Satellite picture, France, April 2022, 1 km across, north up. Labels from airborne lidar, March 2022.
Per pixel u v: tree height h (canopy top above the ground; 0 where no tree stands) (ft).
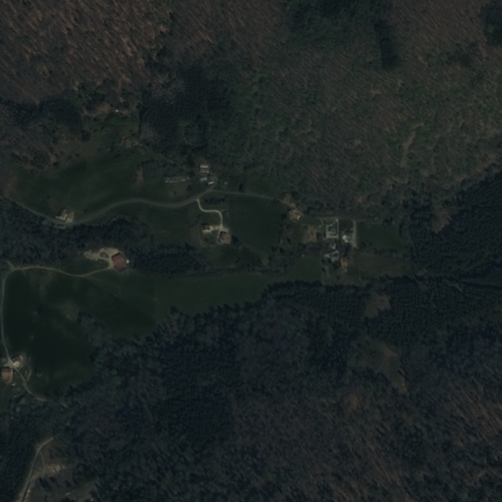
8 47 105
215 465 100
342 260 0
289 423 89
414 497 115
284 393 84
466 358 101
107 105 105
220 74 101
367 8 71
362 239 0
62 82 102
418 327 109
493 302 96
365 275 0
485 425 105
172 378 101
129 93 106
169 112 100
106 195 0
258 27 105
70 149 0
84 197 0
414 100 83
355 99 60
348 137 79
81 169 0
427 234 101
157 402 105
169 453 55
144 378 105
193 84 96
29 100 91
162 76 89
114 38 97
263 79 31
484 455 78
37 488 0
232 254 0
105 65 95
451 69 76
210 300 0
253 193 0
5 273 55
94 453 109
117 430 101
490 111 55
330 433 86
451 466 39
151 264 97
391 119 73
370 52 77
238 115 91
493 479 128
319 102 63
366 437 118
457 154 77
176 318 63
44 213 0
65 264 93
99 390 103
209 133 87
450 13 75
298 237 0
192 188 24
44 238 68
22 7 96
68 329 0
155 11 75
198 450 102
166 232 0
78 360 0
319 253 46
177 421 66
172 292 0
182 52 103
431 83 72
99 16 92
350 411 120
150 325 0
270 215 0
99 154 33
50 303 0
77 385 0
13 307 0
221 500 94
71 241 87
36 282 0
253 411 93
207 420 99
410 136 63
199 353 113
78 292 0
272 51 91
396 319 85
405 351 62
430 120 47
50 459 0
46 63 102
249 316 70
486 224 92
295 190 50
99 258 0
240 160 81
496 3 81
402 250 0
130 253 52
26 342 0
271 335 117
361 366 106
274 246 0
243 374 98
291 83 90
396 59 73
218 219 0
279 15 94
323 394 84
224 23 109
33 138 82
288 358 119
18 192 0
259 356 114
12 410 48
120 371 37
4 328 0
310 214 49
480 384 64
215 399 69
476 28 80
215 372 106
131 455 65
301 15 61
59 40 77
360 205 73
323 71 84
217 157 51
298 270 0
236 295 0
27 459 86
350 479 100
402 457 108
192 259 104
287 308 103
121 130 0
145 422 84
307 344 110
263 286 0
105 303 0
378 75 89
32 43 87
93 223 0
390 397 102
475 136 74
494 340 47
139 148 30
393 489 97
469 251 103
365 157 79
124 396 118
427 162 55
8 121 97
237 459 111
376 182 77
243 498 90
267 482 107
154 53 79
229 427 86
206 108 119
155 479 104
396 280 0
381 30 89
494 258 26
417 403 121
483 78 72
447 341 24
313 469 103
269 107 91
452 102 66
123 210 0
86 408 76
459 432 100
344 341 59
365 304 110
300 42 62
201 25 110
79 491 0
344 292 68
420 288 80
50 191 0
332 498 111
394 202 73
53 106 111
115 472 76
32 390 0
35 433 65
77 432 61
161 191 0
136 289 0
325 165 75
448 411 100
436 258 115
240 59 107
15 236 86
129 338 0
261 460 92
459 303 104
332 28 70
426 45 83
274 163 67
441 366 105
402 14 82
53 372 0
